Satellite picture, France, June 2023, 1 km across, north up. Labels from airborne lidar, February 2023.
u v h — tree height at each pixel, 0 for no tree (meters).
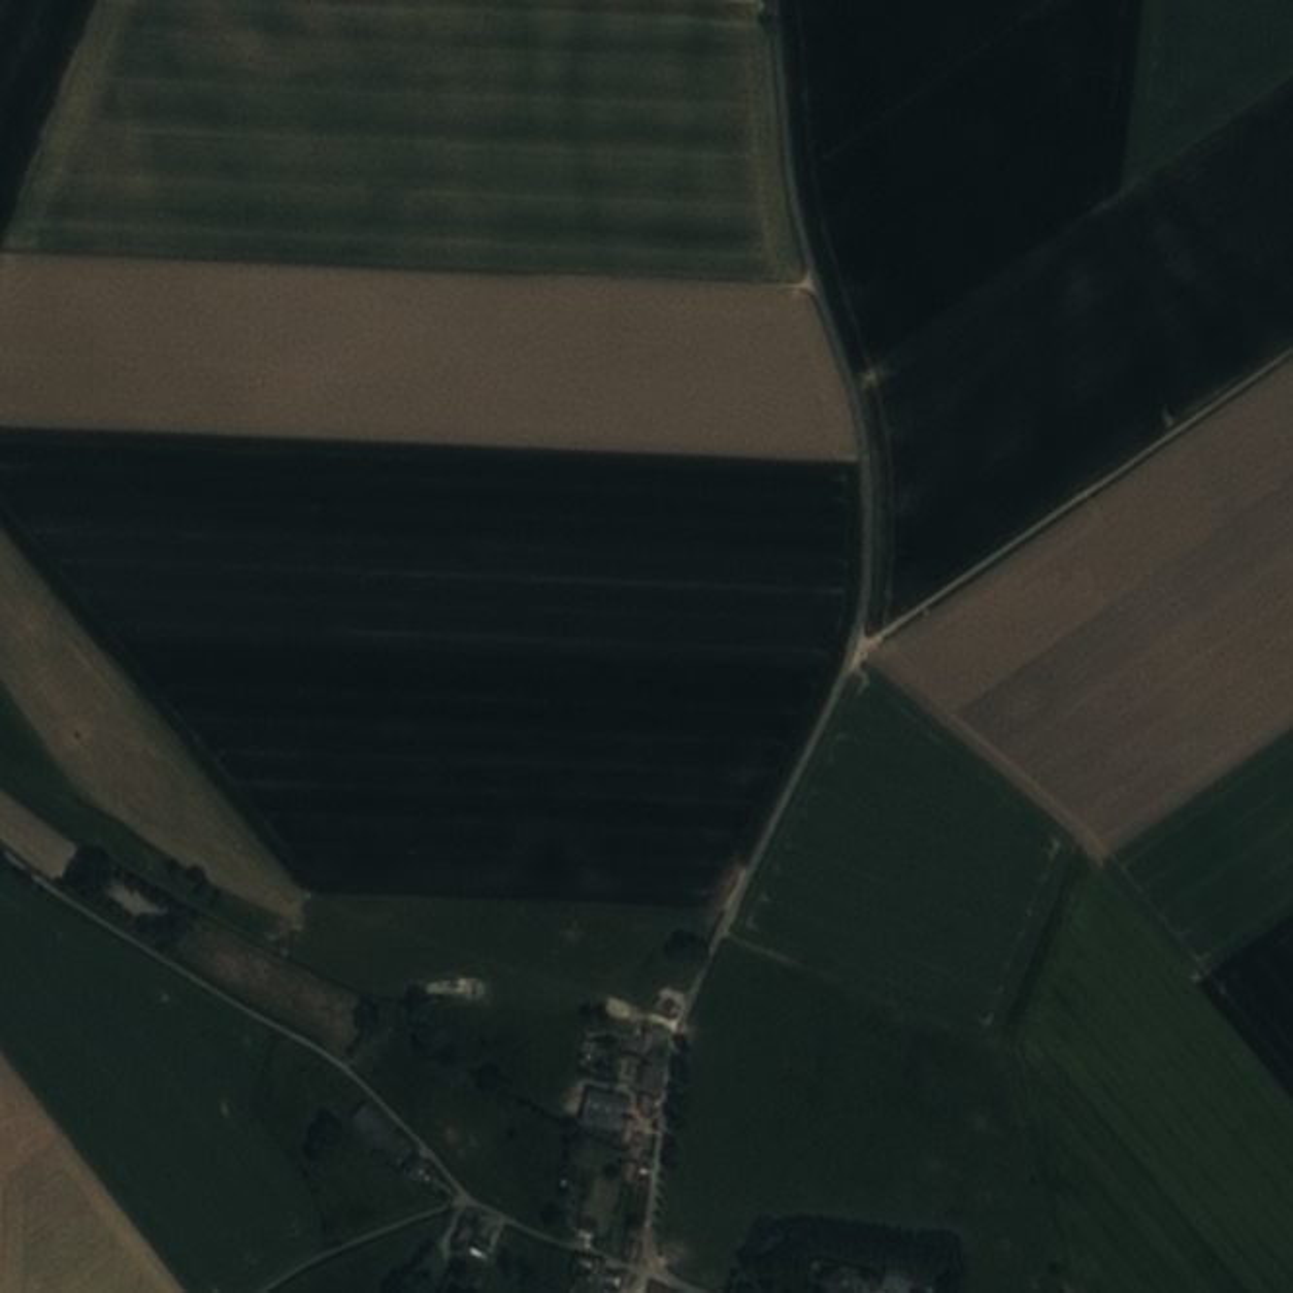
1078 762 0
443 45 0
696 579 0
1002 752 0
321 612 0
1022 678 0
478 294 0
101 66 0
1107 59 0
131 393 0
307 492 0
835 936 0
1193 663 0
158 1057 0
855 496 0
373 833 0
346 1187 0
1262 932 0
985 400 0
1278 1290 0
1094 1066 0
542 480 0
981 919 0
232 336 0
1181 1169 0
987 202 0
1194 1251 0
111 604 0
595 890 0
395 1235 0
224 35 0
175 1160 0
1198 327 0
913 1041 0
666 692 0
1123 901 0
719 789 0
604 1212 0
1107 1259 0
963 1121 0
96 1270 0
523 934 0
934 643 0
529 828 0
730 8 0
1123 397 0
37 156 0
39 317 0
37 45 0
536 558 0
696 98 0
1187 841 0
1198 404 0
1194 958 0
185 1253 0
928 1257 20
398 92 0
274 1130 0
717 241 0
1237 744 0
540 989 0
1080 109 0
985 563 0
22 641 0
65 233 0
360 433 0
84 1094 0
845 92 0
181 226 0
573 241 0
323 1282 0
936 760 0
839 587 0
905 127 0
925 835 0
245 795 0
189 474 0
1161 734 0
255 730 0
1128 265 0
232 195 0
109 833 0
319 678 0
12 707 0
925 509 0
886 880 0
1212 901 0
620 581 0
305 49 0
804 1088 0
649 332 0
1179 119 0
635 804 0
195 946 0
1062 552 0
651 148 0
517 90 0
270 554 0
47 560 0
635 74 0
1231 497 0
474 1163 0
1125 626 0
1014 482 0
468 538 0
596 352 0
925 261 0
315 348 0
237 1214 0
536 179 0
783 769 0
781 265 0
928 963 0
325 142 0
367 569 0
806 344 0
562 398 0
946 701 0
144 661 0
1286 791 0
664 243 0
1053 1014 0
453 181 0
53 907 0
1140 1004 0
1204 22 0
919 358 0
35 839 0
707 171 0
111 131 0
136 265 0
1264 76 0
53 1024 0
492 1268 0
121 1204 0
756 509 0
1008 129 0
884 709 0
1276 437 0
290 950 0
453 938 0
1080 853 0
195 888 21
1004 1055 0
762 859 0
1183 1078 0
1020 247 0
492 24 0
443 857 0
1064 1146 0
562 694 0
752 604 0
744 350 0
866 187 0
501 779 0
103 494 0
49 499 0
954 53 0
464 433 0
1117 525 0
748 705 0
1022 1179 0
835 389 0
